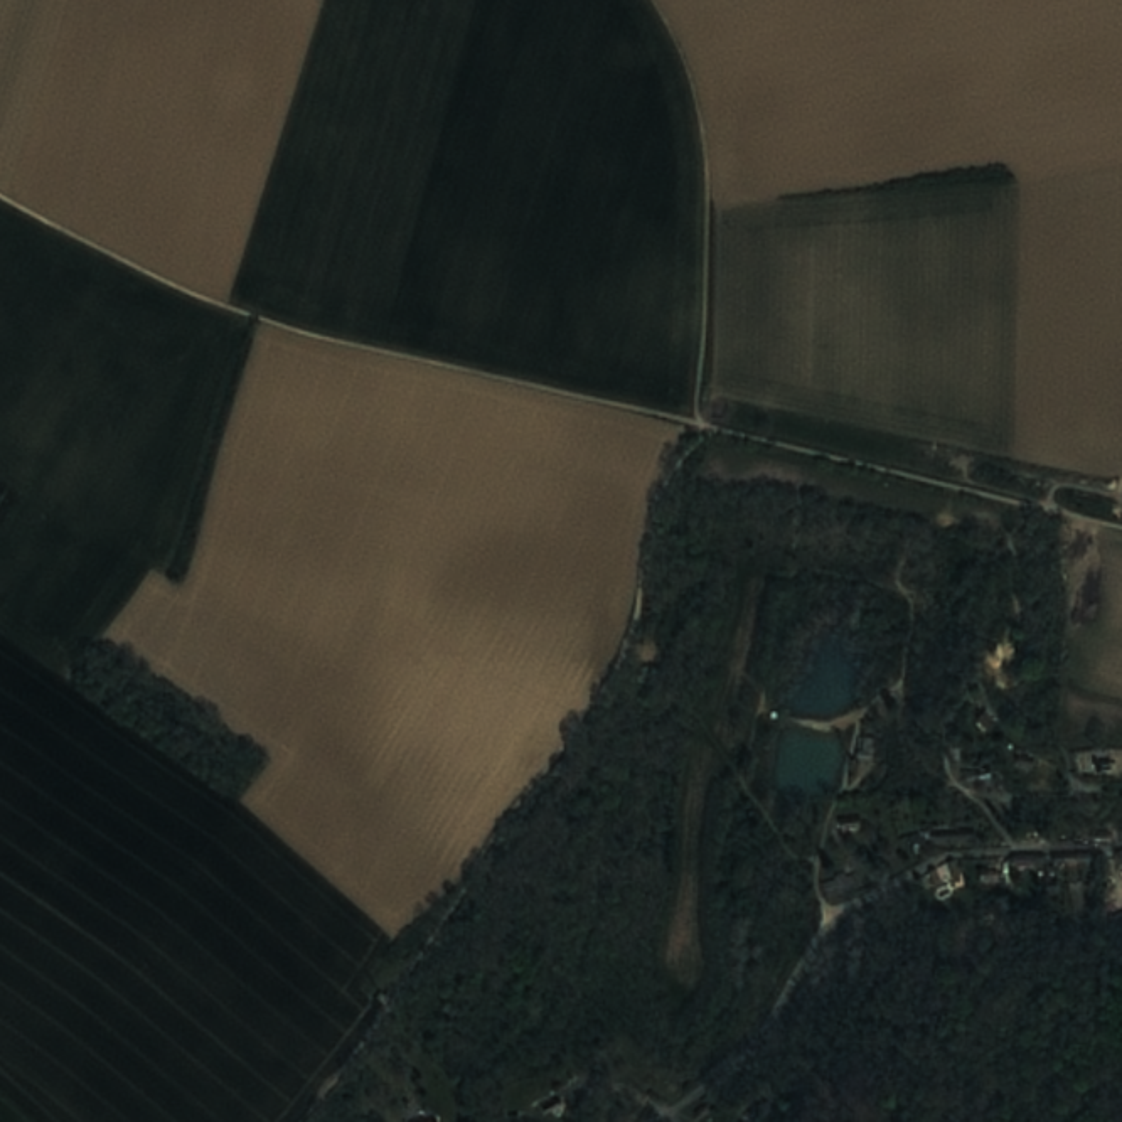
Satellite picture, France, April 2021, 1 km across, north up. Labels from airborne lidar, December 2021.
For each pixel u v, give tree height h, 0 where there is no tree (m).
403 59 0
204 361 0
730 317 0
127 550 0
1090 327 0
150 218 0
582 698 0
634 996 21
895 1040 22
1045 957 21
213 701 0
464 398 0
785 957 16
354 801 0
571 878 22
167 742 17
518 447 0
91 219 0
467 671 0
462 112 0
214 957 0
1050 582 19
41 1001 0
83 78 0
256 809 0
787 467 0
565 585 0
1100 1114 28
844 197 0
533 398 0
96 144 0
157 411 0
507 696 0
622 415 0
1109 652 0
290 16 0
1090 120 0
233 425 0
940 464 0
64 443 0
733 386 0
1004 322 0
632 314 0
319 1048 0
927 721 21
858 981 26
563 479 0
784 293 0
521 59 0
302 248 0
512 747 0
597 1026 26
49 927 0
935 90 0
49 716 0
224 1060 0
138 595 0
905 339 0
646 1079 0
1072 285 0
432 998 20
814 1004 22
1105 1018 18
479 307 0
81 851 0
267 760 15
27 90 0
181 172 0
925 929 21
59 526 0
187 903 0
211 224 0
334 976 0
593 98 0
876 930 22
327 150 0
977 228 0
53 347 0
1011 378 0
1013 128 0
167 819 0
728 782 14
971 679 15
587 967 18
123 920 0
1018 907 22
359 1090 9
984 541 19
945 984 18
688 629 15
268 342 0
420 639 0
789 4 0
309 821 0
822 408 0
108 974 0
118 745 0
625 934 18
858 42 0
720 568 25
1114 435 0
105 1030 0
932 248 0
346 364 0
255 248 0
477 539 0
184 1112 0
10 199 0
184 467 0
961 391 0
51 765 0
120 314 0
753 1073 26
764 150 0
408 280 0
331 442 0
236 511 0
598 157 0
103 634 0
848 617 8
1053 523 12
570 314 0
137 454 0
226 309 0
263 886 0
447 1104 0
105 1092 0
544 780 10
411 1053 20
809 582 9
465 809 0
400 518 0
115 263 0
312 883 0
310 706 0
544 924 20
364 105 0
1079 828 17
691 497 23
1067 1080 25
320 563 0
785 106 0
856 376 0
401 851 0
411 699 0
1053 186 0
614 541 0
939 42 0
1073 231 0
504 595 0
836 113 0
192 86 0
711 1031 17
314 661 0
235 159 0
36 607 0
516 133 0
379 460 0
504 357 0
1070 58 0
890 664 7
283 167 0
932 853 17
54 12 0
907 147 0
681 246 0
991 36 0
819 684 0
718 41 0
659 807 18
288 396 0
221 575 0
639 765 18
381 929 0
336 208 0
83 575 0
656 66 0
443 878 0
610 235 0
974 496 7
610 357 0
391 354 0
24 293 0
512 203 0
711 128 0
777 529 24
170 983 0
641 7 0
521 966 20
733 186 0
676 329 0
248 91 0
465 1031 14
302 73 0
